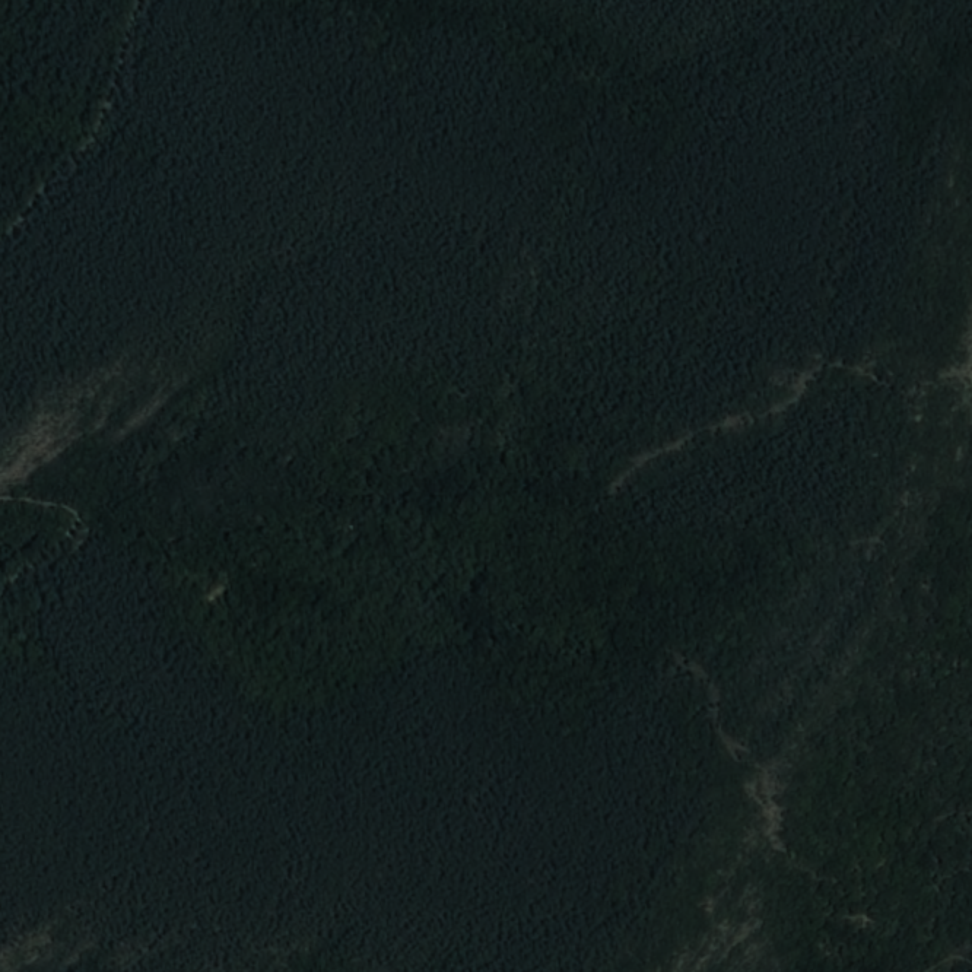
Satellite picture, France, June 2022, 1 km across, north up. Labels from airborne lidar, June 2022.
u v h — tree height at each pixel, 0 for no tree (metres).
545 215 9
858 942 12
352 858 15
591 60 17
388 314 15
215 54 14
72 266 14
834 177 15
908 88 7
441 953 15
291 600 13
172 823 16
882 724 15
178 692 15
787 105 15
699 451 8
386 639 13
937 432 6
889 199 16
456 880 13
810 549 9
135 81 12
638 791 15
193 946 10
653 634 15
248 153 15
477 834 14
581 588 19
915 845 11
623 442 12
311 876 11
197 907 13
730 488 12
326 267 14
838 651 6
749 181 16
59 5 16
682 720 9
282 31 16
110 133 8
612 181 14
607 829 15
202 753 18
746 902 7
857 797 11
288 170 13
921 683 15
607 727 13
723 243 15
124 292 15
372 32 17
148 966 9
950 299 7
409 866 14
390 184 15
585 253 14
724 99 16
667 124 19
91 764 17
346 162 14
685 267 19
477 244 14
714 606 19
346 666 14
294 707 12
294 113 15
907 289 12
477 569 14
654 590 15
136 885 12
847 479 12
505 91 14
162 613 15
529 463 18
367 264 15
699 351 9
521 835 14
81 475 11
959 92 11
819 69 15
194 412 16
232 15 14
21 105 18
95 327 11
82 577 16
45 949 8
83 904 12
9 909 13
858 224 10
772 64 15
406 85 16
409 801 15
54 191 15
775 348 16
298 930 11
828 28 16
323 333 14
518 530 22
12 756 14
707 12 11
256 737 18
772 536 14
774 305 15
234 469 16
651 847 15
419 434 14
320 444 11
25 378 13
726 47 14
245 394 11
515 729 15
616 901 11
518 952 12
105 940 11
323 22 16
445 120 17
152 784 16
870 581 8
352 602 9
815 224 19
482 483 15
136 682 15
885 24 15
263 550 8
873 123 14
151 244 15
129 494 9
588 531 19
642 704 13
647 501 16
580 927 15
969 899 9
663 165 18
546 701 19
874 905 8
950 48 13
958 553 19
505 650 19
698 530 14
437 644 15
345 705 15
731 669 8
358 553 16
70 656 20
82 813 16
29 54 19
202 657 18
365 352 14
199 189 13
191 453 7
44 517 12
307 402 11
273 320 13
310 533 20
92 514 14
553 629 20
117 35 10
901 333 11
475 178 14
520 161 14
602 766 15
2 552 16
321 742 17
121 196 16
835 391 7
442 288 12
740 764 6
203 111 13
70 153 8
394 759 15
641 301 15
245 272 14
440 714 15
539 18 13
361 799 14
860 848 12
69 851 14
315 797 14
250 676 14
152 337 12
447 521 14
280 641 18
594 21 8
